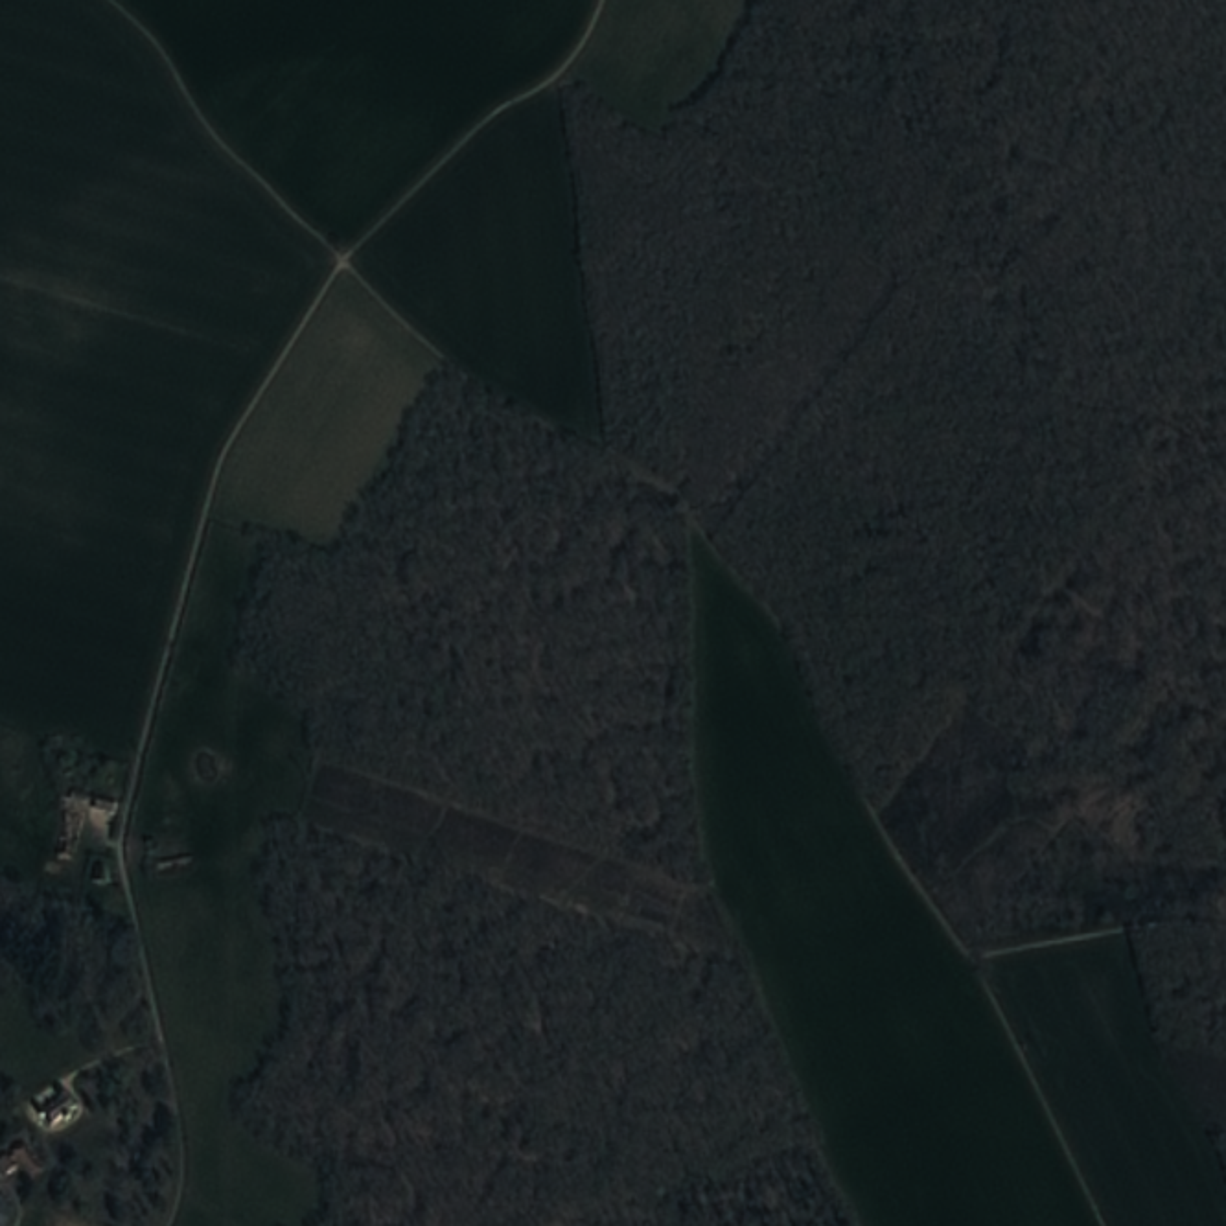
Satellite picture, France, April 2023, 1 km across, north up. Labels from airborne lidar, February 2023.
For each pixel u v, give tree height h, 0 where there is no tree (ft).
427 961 69
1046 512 74
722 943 0
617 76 0
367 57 0
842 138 56
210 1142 0
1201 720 48
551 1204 73
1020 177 71
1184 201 69
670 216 40
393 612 52
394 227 0
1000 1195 0
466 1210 71
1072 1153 0
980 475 67
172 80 0
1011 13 70
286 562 62
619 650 58
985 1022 0
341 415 0
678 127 28
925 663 55
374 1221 72
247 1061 0
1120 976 0
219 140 0
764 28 52
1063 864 58
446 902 70
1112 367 67
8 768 0
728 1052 63
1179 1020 51
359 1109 69
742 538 52
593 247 35
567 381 0
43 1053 0
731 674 0
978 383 66
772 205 29
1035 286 65
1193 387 65
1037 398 59
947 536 68
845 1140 0
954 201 63
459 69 0
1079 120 29
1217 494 47
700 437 33
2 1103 48
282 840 53
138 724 0
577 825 59
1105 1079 0
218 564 0
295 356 0
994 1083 0
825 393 33
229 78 0
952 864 0
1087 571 62
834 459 63
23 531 0
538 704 46
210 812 0
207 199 0
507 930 69
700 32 0
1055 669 62
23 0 0
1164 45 68
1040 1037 0
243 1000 0
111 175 0
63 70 0
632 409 40
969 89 55
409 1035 59
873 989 0
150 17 0
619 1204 70
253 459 0
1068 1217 0
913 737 57
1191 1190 0
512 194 0
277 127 0
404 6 0
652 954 68
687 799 35
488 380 0
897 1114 0
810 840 0
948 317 60
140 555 0
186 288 0
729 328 29
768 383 33
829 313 33
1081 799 0
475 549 53
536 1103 66
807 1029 0
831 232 29
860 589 52
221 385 0
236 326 0
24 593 0
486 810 59
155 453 0
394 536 62
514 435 49
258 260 0
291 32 0
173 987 0
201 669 0
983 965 47
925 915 0
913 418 62
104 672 0
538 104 0
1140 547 78
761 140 69
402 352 0
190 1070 0
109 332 0
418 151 0
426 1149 78
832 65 67
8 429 0
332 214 0
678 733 51
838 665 54
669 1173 71
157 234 0
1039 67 52
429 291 0
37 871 0
